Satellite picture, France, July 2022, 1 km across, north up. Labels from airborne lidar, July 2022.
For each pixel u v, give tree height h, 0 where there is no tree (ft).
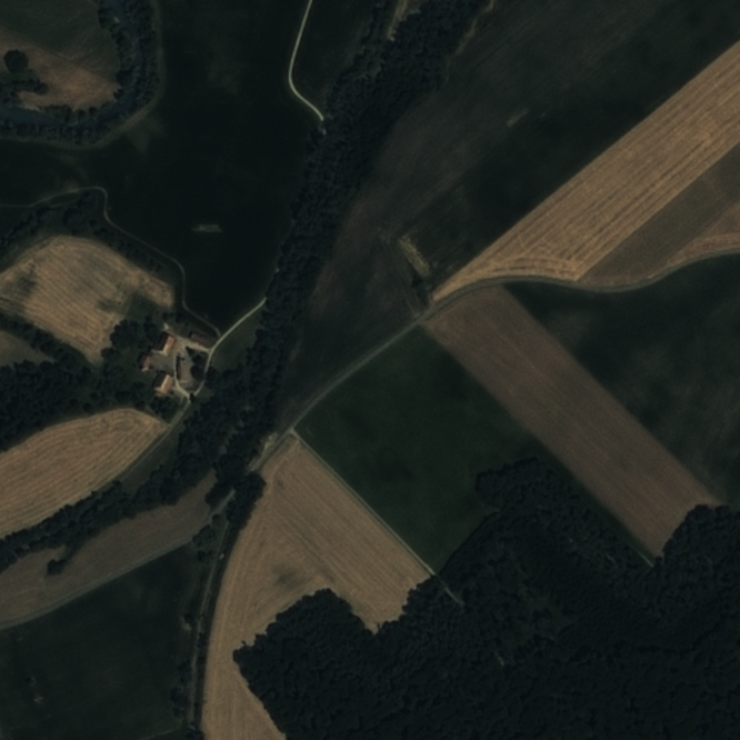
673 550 74
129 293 0
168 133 0
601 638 29
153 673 0
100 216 0
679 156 0
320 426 0
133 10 77
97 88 0
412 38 75
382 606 0
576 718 87
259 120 0
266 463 0
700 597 71
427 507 0
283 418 0
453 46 82
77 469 0
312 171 47
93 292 0
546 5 0
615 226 0
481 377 0
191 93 0
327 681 94
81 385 71
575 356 0
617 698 97
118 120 49
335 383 0
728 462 0
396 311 0
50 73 0
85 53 0
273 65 0
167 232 0
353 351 0
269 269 0
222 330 0
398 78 31
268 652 96
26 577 0
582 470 0
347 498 0
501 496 75
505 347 0
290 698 100
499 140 0
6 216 0
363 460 0
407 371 0
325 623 95
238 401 85
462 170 0
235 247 0
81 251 0
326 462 0
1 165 0
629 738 100
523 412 0
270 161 0
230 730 0
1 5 0
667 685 85
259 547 0
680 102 0
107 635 0
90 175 0
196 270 0
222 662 0
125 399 68
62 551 0
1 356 0
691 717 91
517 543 90
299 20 0
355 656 83
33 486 0
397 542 0
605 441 0
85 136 62
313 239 57
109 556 0
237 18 0
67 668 0
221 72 0
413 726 92
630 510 0
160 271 30
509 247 0
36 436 0
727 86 0
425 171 0
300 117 0
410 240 0
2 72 0
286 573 0
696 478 0
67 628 0
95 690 0
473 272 0
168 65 0
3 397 85
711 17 0
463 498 0
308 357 0
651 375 0
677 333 0
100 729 0
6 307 0
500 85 0
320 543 0
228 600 0
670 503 0
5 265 0
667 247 0
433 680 87
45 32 0
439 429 0
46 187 0
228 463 74
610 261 0
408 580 0
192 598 0
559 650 96
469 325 0
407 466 0
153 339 56
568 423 0
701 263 0
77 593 0
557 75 0
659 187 0
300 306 36
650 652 85
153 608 0
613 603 29
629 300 0
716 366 0
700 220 0
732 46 0
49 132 51
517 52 0
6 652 0
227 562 0
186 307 0
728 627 93
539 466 66
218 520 40
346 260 0
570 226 0
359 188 49
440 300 0
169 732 0
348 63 0
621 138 0
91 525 34
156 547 0
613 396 0
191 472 73
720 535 98
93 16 0
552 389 0
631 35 0
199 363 46
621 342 0
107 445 0
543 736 92
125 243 41
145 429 0
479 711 94
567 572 42
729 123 0
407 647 99
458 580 37
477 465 0
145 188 0
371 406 0
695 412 0
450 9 86
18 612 0
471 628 79
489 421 0
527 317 0
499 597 87
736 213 0
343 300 0
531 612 82
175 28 0
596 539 84
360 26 0
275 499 0
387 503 0
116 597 0
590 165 0
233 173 0
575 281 0
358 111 78
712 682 81
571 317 0
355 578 0
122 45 90
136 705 0
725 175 0
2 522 0
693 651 50
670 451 0
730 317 0
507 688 96
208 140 0
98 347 0
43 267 0
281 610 0
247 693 0
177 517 0
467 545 25
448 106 0
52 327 0
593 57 0
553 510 91
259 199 0
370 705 81
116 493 33
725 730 96
